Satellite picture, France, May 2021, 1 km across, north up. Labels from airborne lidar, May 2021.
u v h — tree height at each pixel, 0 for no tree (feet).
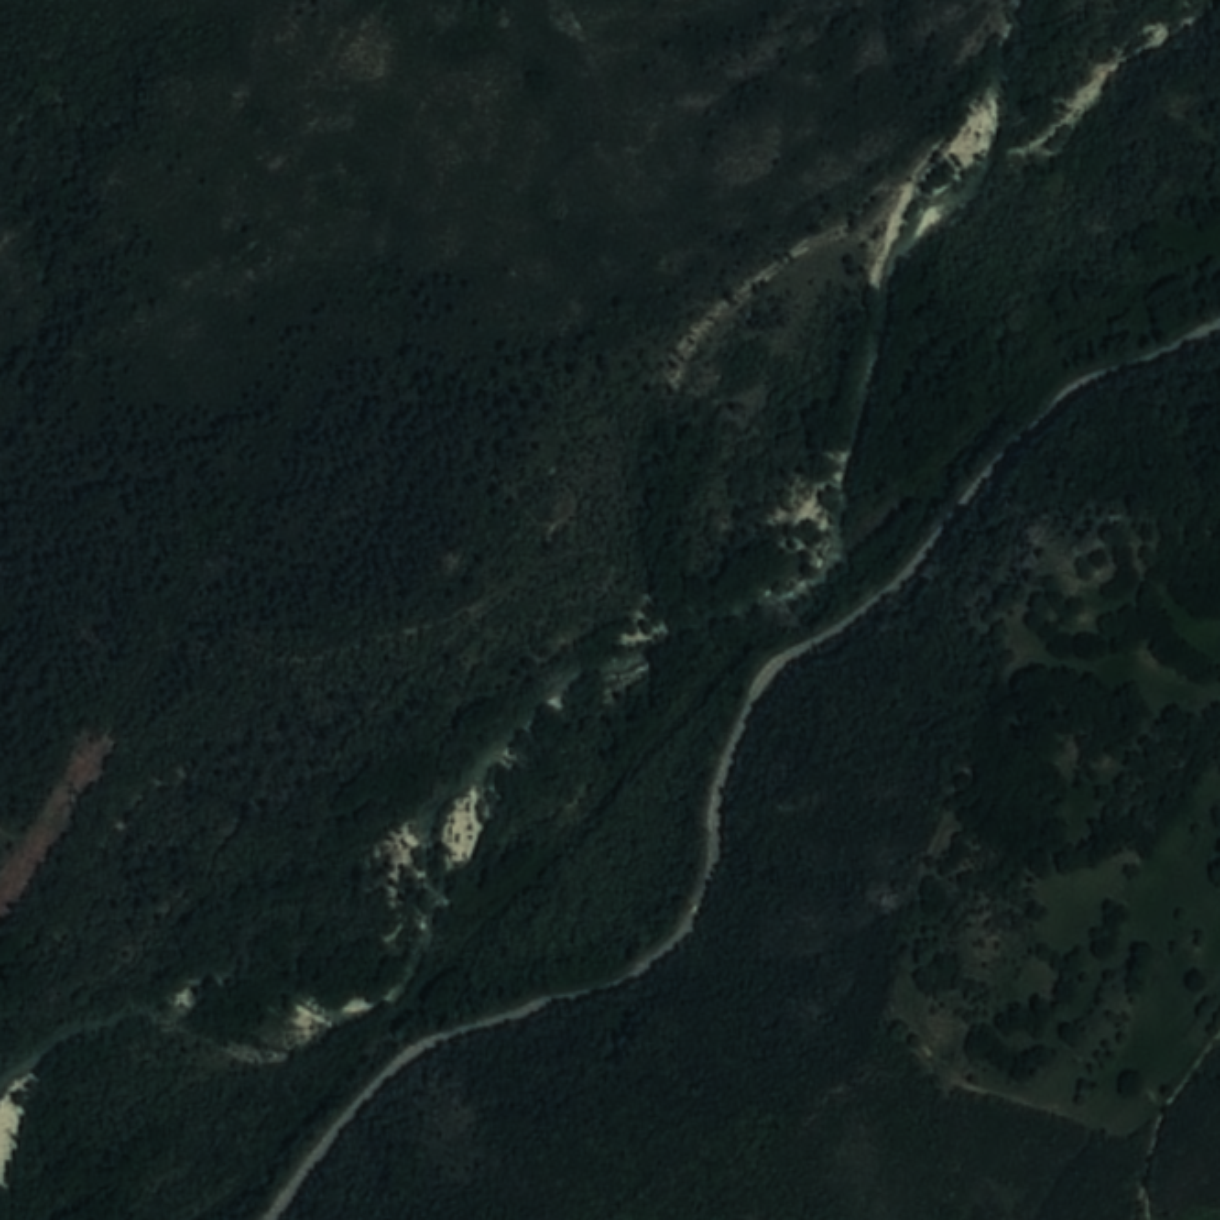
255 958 57
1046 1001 55
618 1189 28
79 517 77
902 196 0
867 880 22
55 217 62
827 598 34
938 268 35
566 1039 29
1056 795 66
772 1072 19
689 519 21
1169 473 62
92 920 34
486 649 26
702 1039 24
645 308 19
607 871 25
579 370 68
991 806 33
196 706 28
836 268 0
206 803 69
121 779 34
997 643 34
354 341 32
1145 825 42
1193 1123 19
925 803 20
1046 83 29
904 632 24
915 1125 26
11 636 81
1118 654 35
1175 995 0
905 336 53
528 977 33
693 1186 19
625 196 0
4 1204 62
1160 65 49
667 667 78
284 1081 30
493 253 0
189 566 30
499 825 29
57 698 42
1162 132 60
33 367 36
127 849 30
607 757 73
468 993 38
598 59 0
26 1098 43
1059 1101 0
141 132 42
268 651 32
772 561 75
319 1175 22
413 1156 34
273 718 22
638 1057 59
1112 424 60
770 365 21
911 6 38
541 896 45
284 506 54
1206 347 42
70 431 21
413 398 48
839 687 30
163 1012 41
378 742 39
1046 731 56
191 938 37
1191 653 77
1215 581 49
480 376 21
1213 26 38
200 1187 20
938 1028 0
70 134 52
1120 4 26
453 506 22
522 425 90
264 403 21
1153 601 49
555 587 22
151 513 77
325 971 53
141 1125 48
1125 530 46
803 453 42
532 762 65
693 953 31
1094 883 0
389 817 51
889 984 20
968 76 38
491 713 70
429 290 60
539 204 21
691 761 36
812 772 31
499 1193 26
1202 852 0
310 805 52
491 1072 34
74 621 31
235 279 0
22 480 44
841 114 36
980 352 54
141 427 60
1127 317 28
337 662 30
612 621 21
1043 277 38
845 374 46
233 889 33
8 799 54
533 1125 25
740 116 25
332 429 51
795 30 38
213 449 63
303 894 49
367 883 73
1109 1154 19
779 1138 26
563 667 41
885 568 24
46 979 49
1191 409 42
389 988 61
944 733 35
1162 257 59
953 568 19
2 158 19
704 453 39
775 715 38
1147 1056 0
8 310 20
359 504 57
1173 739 41
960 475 45
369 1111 36
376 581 79
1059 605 44
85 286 19
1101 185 32
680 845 42
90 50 19
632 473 26
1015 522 31
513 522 25
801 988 29
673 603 73
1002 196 27
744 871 33
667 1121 32
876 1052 25
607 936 25
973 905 34
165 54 29
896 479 69
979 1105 17
